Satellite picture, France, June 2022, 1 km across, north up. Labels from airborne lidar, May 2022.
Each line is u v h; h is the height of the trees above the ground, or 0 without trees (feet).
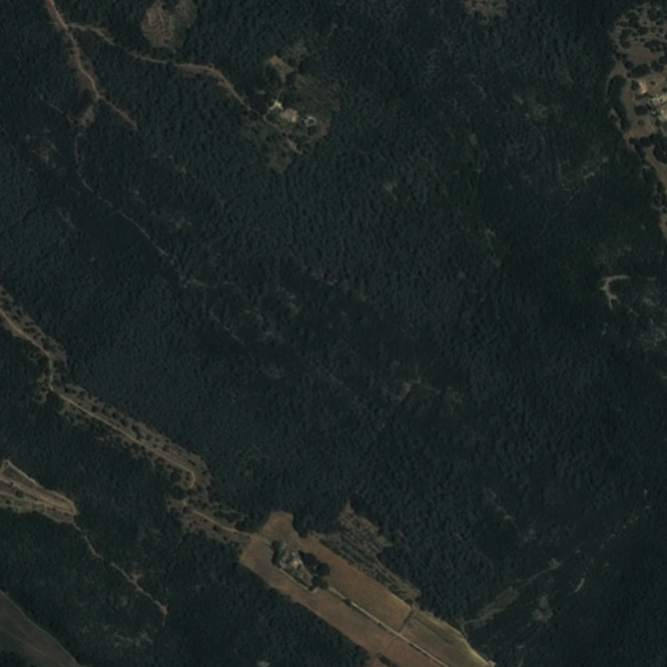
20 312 50
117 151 19
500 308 26
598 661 44
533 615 108
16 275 37
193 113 56
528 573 20
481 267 54
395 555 25
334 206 61
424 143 65
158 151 46
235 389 53
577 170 20
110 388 51
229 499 61
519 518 19
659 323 21
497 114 24
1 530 32
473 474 24
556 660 24
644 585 34
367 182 78
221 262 20
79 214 17
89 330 18
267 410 35
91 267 23
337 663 60
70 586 24
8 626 0
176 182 20
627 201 33
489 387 59
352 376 31
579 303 46
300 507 60
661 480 35
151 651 29
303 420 48
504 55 51
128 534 43
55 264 36
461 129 24
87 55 38
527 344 47
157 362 68
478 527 22
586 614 38
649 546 39
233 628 30
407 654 0
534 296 26
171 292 20
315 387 29
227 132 67
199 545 20
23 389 39
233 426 55
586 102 24
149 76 52
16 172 54
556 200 22
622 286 39
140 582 29
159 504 44
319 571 41
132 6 48
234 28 71
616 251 19
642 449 28
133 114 26
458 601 61
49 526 35
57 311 39
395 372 21
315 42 42
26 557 30
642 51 0
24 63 37
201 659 51
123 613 33
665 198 46
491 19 22
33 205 46
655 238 21
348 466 52
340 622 0
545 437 31
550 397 47
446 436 24
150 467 37
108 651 24
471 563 31
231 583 56
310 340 65
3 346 56
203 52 29
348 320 18
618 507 21
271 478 50
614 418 38
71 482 56
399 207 21
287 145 23
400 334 25
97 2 53
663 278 41
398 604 0
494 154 29
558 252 34
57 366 33
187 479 20
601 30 32
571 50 75
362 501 44
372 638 0
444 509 59
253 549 0
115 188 20
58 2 36
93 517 23
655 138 51
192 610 37
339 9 20
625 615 52
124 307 26
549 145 23
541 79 30
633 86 24
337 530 35
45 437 45
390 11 72
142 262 19
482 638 18
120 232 22
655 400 20
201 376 60
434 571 54
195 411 53
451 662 0
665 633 53
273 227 65
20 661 58
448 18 23
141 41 43
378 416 67
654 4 28
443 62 30
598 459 49
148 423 53
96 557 21
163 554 34
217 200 63
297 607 50
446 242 53
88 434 31
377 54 38
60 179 17
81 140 26
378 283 66
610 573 45
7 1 25
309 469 63
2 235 54
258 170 55
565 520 20
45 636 0
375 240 53
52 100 48
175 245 57
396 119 25
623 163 22
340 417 57
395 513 49
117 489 37
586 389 39
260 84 45
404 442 27
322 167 58
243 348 19
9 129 23
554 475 23
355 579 0
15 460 47
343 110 37
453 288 68
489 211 35
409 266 51
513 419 62
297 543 0
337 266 65
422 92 41
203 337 23
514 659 48
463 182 36
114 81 58
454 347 55
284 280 18
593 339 42
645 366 54
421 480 65
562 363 72
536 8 53
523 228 26
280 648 60
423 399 23
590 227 41
